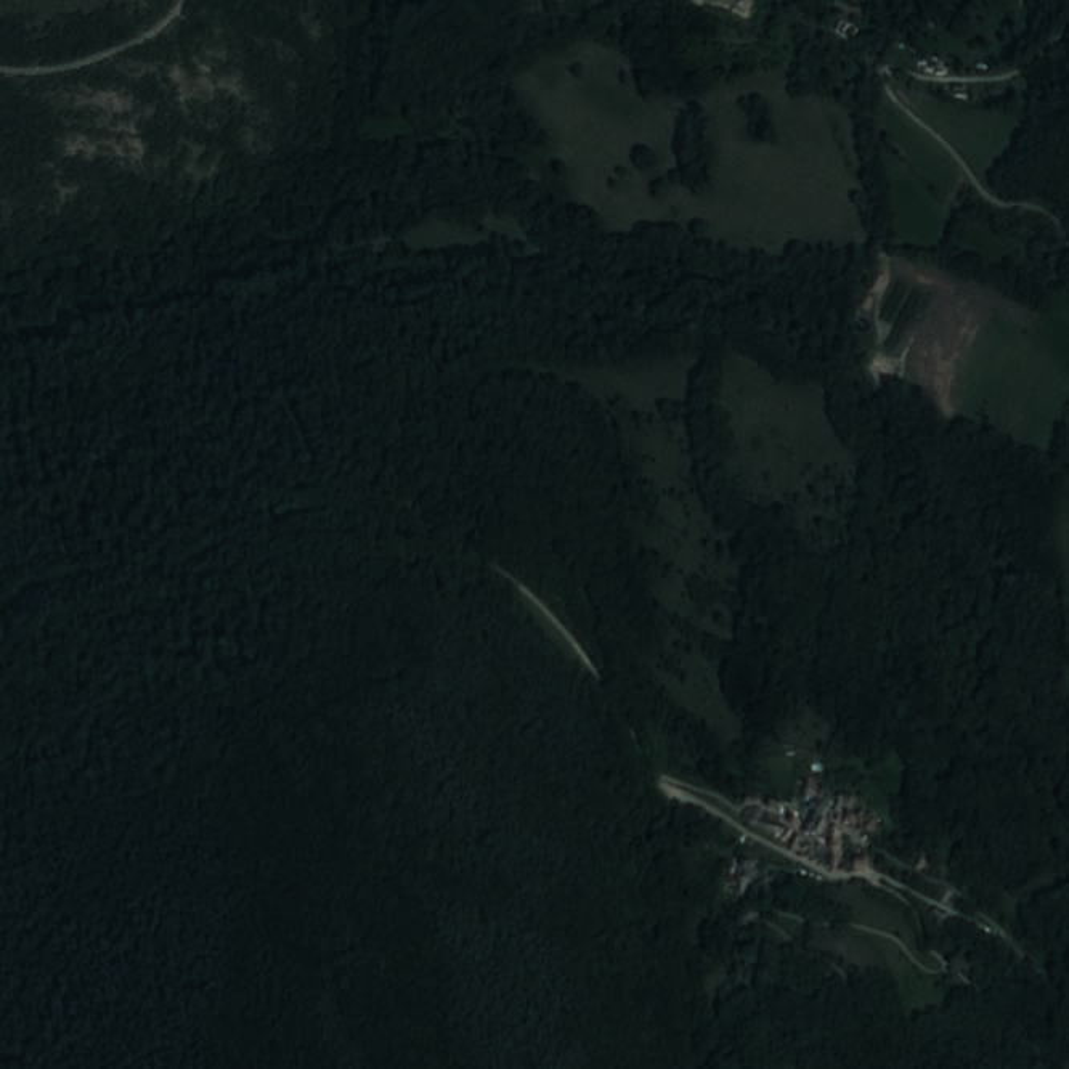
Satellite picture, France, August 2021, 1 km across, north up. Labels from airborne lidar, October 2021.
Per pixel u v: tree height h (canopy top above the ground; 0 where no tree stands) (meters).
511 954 20
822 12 11
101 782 23
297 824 27
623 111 0
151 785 27
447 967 19
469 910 20
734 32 6
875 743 19
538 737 20
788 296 22
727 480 14
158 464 21
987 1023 14
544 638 17
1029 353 0
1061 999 30
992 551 6
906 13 19
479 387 21
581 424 24
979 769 26
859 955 0
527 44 17
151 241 9
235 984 23
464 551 17
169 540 33
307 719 24
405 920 22
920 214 0
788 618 21
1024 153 17
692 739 12
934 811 33
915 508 9
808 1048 12
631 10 19
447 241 0
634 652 22
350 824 26
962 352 0
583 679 12
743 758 6
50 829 28
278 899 29
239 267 10
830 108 0
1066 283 21
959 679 30
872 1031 33
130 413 16
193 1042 20
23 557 21
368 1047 31
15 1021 29
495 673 13
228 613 22
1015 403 0
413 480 28
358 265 14
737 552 19
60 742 22
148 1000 25
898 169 0
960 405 0
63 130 11
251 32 13
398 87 17
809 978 8
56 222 10
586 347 14
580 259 33
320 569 18
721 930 20
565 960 25
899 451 27
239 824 26
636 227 0
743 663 22
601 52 0
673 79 24
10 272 8
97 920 29
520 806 17
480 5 20
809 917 12
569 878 17
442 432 23
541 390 26
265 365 20
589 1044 22
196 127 8
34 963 27
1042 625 17
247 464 25
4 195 7
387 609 23
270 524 21
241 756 23
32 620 33
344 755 27
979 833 27
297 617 23
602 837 24
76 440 18
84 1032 27
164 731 23
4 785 27
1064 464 22
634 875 38
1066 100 18
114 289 16
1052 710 30
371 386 20
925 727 25
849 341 22
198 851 26
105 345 26
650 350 22
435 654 16
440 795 19
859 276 15
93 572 26
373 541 29
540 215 27
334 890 27
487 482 27
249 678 33
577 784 18
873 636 18
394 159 20
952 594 19
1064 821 29
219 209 8
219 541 20
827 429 0
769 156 0
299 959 30
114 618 26
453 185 31
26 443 32
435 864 25
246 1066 24
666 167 0
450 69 26
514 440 19
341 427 22
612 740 21
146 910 29
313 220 19
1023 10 0
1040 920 17
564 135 0
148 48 9
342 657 26
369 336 28
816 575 8
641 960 26
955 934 9
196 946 26
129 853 27
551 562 8
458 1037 22
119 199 9
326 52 11
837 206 0
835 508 12
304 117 16
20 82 8
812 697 16
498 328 24
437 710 18
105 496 28
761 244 0
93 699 24
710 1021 17
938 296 0
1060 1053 19
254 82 7
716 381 21
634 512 22
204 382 28
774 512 8
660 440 0
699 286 27
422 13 24
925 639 27
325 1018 30
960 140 0
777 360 26
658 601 9
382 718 23
